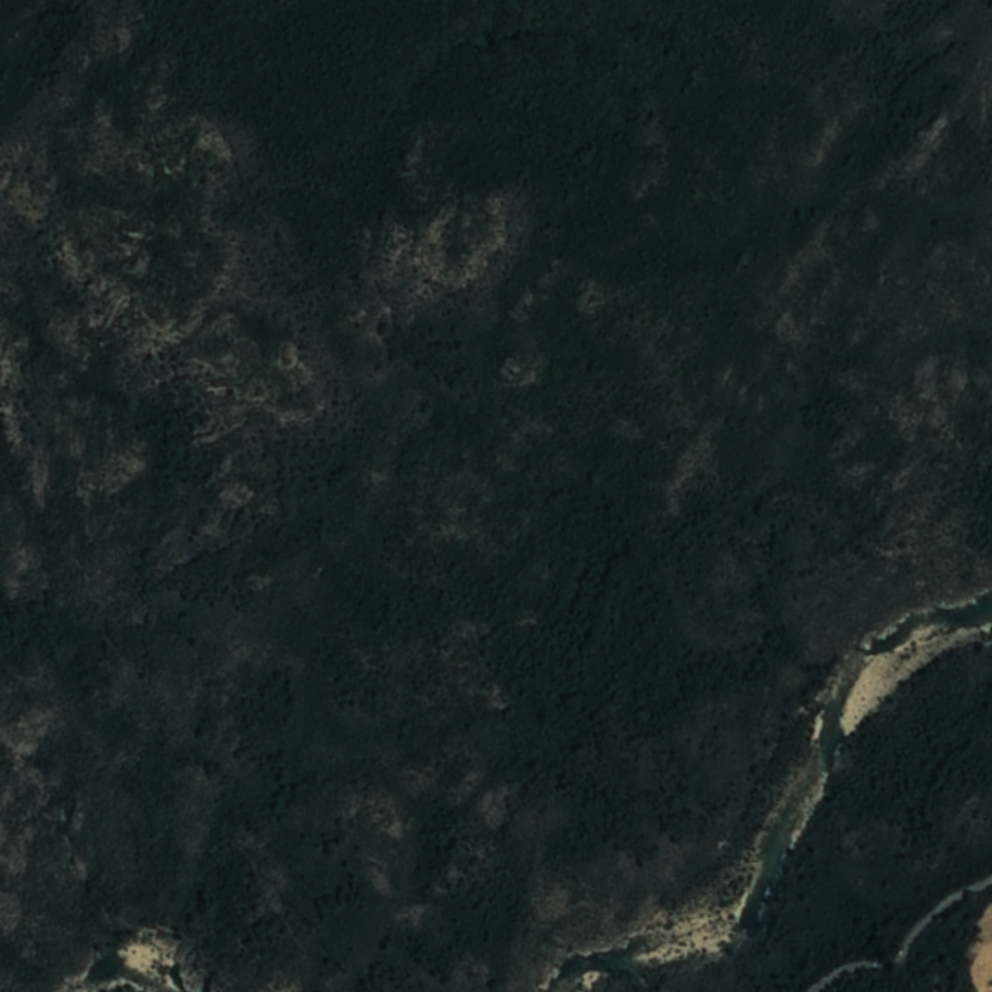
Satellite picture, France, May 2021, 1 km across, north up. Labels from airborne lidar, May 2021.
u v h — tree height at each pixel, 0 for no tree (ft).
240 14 34
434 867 36
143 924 37
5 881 19
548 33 28
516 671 46
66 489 23
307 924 23
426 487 21
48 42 20
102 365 21
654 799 66
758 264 33
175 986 0
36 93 24
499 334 21
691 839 67
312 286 51
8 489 18
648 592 56
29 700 23
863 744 45
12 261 51
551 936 19
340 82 22
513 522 30
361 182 20
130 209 26
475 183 24
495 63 39
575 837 19
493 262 51
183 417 45
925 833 39
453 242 26
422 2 19
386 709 26
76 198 21
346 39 37
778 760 32
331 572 24
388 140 25
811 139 20
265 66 37
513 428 21
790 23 24
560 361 25
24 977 22
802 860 35
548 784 80
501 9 23
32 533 35
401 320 72
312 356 54
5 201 40
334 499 22
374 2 25
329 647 26
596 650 69
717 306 21
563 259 25
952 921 47
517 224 53
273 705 28
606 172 23
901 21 52
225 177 38
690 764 40
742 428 32
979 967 0
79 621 20
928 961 45
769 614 46
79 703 31
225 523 37
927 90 72
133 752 21
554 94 23
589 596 67
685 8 29
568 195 43
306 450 52
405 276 42
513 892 42
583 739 27
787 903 37
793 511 35
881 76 37
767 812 22
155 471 37
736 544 49
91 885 18
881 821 36
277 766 57
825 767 0
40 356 66
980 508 39
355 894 41
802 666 18
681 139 22
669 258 19
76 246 21
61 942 24
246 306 24
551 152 22
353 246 21
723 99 23
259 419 31
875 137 36
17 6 21
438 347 64
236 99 19
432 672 22
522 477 20
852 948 17
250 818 18
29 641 73
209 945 26
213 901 66
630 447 17
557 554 20
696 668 62
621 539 22
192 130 20
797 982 44
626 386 25
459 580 21
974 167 24
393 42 18
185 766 20
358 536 20
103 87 19
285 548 23
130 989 50
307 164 31
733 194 30
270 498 21
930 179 24
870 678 0
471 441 21
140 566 19
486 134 17
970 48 34
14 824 31
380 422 18
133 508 28
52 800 20
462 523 26
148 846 23
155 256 25
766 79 22
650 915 0
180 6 23
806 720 27
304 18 22
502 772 19
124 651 52
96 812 25
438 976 53
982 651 60
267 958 39
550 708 23
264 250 38
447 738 20
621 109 19
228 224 33
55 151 19
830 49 19
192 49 36
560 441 26
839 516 17
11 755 19
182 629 19
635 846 61
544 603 29
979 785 23
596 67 20
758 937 69
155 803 18
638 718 42
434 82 27
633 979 76
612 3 22
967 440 31
